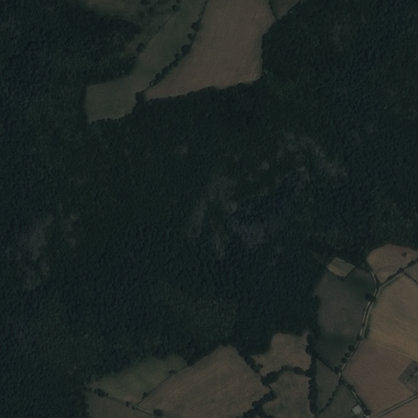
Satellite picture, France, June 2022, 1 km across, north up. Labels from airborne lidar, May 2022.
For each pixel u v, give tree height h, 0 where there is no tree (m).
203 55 0
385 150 15
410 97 17
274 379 18
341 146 28
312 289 11
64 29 21
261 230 0
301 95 13
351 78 17
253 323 26
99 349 15
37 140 11
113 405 0
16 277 20
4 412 26
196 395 0
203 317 15
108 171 17
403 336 0
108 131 16
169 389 0
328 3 18
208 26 0
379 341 0
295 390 0
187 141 17
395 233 10
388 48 17
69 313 24
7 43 23
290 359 0
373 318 0
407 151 19
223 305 21
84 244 15
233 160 13
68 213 15
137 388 0
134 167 13
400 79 13
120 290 18
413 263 9
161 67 0
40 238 6
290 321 13
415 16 8
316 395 15
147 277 22
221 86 0
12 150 16
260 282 9
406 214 23
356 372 0
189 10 0
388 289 0
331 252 19
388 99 15
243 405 0
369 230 10
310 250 17
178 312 10
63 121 16
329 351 0
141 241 17
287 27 18
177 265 26
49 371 15
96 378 14
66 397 15
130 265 10
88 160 16
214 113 21
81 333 21
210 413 0
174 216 18
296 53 26
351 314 0
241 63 0
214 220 12
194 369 0
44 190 12
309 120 22
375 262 0
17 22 11
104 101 0
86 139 13
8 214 24
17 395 15
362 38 19
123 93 0
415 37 14
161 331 22
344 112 16
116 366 26
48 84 15
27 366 12
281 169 13
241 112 13
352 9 11
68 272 30
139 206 14
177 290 11
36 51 15
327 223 16
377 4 14
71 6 16
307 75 22
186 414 0
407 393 0
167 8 0
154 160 18
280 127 16
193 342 23
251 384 0
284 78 26
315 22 27
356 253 18
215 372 0
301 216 14
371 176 19
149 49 0
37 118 15
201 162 17
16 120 12
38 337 9
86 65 16
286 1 0
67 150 13
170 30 0
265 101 19
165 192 13
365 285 0
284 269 11
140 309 16
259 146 10
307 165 13
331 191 8
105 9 0
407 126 16
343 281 10
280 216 11
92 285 23
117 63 22
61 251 19
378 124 9
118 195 16
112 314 19
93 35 25
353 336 0
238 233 9
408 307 0
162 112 16
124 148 7
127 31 17
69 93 15
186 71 0
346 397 0
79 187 14
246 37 0
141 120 16
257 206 10
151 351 18
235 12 0
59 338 13
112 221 14
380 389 0
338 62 20
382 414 0
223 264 26
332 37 13
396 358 0
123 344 14
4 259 11
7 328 17
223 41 0
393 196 23
